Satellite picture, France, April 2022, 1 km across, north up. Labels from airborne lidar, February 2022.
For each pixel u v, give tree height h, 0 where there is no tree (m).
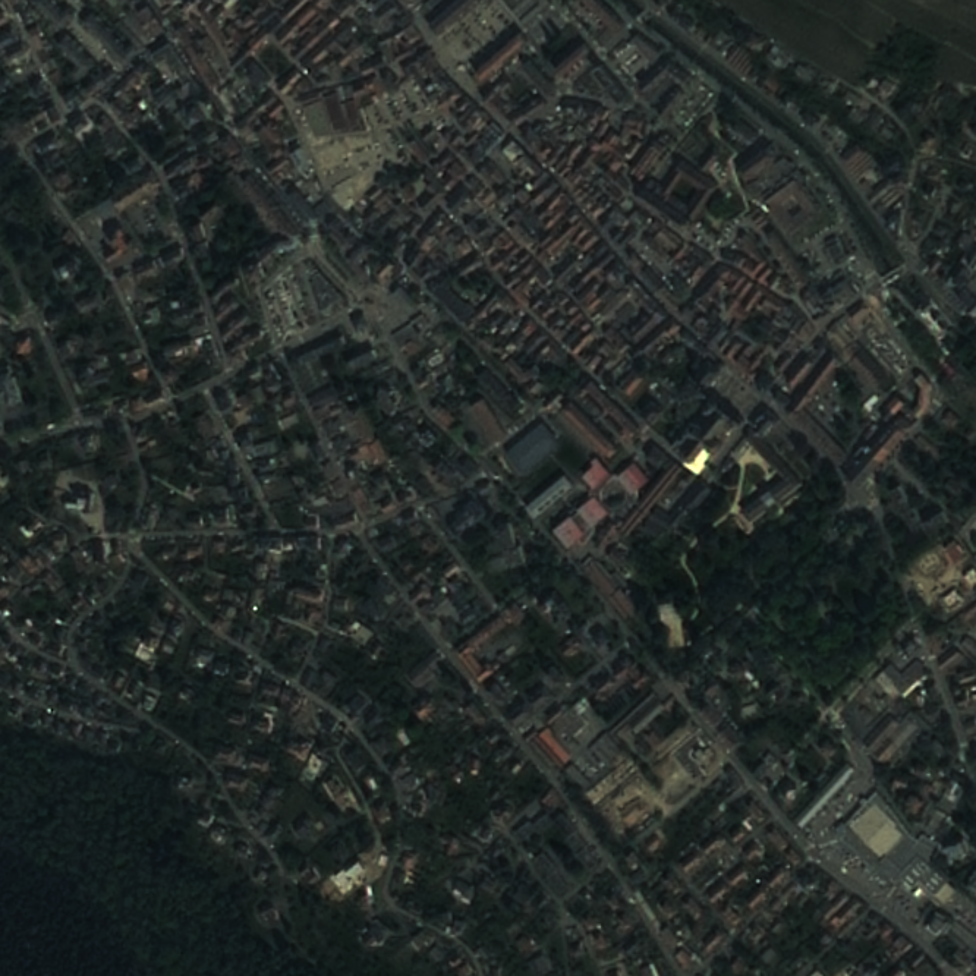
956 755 15
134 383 12
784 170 0
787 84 9
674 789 0
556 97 0
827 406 0
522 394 9
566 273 0
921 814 7
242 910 16
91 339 14
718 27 12
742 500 0
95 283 16
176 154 7
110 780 20
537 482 0
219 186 15
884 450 0
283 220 0
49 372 18
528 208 0
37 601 13
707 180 0
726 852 0
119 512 19
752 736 17
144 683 17
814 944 5
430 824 19
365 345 0
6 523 10
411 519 0
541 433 0
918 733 0
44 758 23
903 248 0
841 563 24
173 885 24
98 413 0
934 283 0
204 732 14
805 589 21
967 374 33
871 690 0
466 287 13
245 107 12
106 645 11
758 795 0
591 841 0
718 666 13
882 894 0
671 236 0
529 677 8
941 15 0
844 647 23
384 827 12
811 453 13
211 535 0
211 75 0
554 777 0
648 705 0
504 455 0
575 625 12
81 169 16
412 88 0
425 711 0
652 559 13
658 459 0
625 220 0
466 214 0
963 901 0
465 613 0
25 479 20
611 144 0
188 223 14
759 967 6
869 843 0
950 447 7
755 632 23
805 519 26
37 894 32
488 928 7
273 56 0
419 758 5
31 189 20
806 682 10
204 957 20
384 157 0
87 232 0
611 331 0
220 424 0
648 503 0
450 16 0
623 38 0
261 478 0
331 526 0
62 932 30
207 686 13
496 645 0
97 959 27
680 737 0
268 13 0
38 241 24
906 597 15
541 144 0
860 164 0
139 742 12
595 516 0
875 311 0
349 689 12
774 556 21
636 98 0
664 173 0
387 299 0
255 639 0
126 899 21
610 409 0
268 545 0
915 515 0
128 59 0
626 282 0
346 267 11
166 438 8
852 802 0
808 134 0
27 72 0
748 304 0
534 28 0
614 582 0
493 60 0
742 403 0
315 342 0
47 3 0
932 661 0
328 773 7
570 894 0
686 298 20
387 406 0
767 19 0
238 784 0
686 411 23
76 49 0
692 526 11
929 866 0
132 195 0
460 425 16
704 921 12
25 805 27
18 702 0
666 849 0
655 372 8
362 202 0
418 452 0
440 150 0
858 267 0
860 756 0
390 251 7
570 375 11
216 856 6
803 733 7
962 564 0
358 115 0
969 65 0
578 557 0
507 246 0
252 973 21
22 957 30
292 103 0
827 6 0
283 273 0
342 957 8
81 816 16
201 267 14
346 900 0
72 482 0
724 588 23
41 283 7
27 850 22
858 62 0
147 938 21
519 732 0
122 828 28
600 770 0
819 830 0
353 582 8
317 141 0
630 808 0
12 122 0
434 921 7
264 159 6
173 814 13
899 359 0
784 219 0
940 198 0
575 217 0
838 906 0
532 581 9
